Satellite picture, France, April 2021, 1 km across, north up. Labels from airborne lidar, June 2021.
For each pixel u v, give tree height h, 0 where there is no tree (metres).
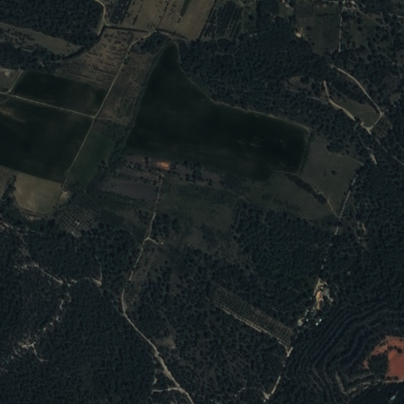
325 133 13
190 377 11
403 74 12
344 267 17
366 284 15
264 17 21
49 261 13
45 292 12
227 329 10
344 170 0
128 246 21
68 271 14
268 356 17
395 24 18
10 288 8
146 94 0
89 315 11
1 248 11
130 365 18
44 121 0
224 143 0
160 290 14
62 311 11
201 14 0
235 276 16
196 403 13
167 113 0
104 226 15
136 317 11
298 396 12
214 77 11
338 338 8
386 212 13
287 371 13
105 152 0
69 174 0
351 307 7
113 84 0
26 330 10
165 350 10
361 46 6
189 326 13
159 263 0
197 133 0
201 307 21
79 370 10
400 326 12
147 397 9
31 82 0
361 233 13
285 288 7
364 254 6
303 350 7
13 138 0
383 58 17
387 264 15
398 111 14
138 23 0
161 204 0
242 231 16
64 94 0
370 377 10
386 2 13
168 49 0
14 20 16
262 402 12
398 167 11
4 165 0
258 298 10
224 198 7
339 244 12
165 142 0
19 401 12
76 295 15
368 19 0
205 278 16
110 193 6
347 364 10
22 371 12
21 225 16
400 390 6
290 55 13
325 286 6
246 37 16
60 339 15
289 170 0
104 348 13
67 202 0
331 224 6
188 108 0
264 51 10
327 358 7
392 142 13
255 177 0
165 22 0
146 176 0
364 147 9
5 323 11
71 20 14
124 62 6
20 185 0
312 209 0
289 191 0
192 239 0
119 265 20
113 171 11
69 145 0
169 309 14
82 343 11
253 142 0
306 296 17
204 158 0
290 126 0
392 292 12
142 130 0
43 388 13
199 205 0
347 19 16
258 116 0
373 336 10
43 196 0
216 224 0
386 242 16
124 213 0
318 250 6
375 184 20
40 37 0
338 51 8
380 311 9
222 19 6
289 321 10
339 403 12
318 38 0
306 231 19
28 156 0
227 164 0
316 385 8
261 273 16
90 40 12
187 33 0
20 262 14
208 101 0
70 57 11
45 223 10
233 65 13
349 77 0
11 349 11
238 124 0
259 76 19
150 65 0
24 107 0
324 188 0
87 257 15
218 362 12
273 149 0
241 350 9
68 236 15
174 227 13
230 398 13
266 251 13
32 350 9
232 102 14
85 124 0
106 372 12
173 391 6
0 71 0
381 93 13
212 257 11
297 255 18
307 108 12
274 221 16
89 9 12
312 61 8
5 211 12
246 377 8
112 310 16
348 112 0
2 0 13
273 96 7
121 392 17
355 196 8
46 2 11
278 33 16
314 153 0
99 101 0
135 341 12
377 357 8
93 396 13
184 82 0
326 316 16
